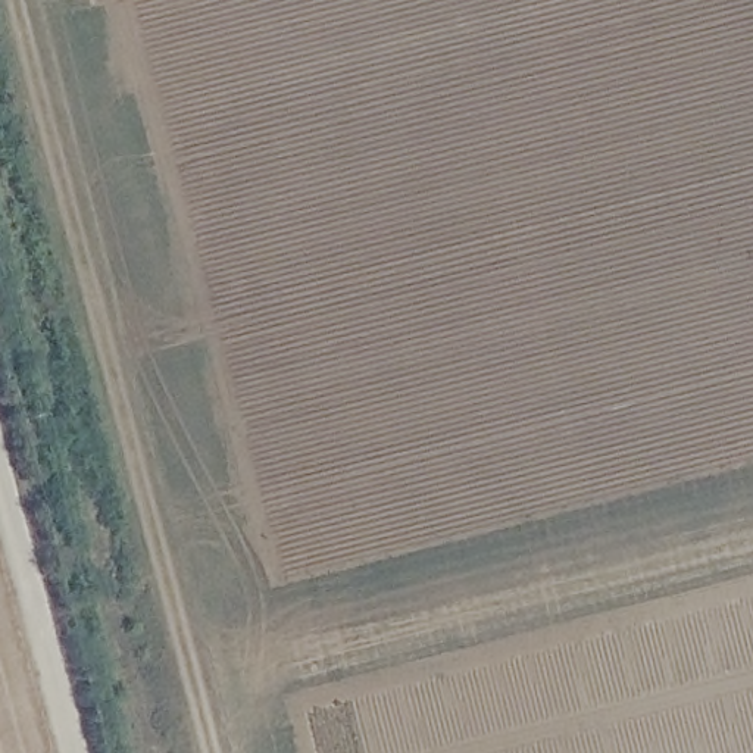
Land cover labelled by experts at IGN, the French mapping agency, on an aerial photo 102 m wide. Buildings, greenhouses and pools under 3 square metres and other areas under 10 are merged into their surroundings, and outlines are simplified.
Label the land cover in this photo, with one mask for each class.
<instances>
[{"label":"agricultural land","instance_id":"1","mask_svg":"<svg viewBox=\"0 0 753 753\"><path fill-rule=\"evenodd\" d=\"M47 18L59 47L62 76L74 106L82 159L88 168H100L103 174L91 182V188L100 209L109 262L121 297L118 303L106 306V315L124 365L141 447L147 456L162 527L176 565L224 753H753V0H59L47 6ZM0 753H59L56 735L50 729L47 703L41 694V674L32 659V647L24 627L18 585L6 562V547L0 535Z\"/></svg>","mask_w":753,"mask_h":753},{"label":"brushwood","instance_id":"2","mask_svg":"<svg viewBox=\"0 0 753 753\"><path fill-rule=\"evenodd\" d=\"M18 62L3 0H0V424L9 465L18 477L21 506L26 512V524L32 532L35 565L50 597L53 624L62 644L88 753H129L121 729L124 685L109 671V653L103 635L97 632V597L124 600L135 582L132 562L147 553L138 512L124 515V491L118 488V474L109 456V438L100 427L97 400L91 394L88 362L76 338V326L88 321L68 238L59 221L47 224L38 206V179L29 168V150L24 141L26 118L15 115L9 94V71Z\"/></svg>","mask_w":753,"mask_h":753},{"label":"pervious surface","instance_id":"3","mask_svg":"<svg viewBox=\"0 0 753 753\"><path fill-rule=\"evenodd\" d=\"M59 0H3L18 62L26 88V118L35 124L41 141V159L56 194L59 221L68 238L88 321L106 382L112 424L118 432V447L124 453L129 494L138 512L147 553L168 627V641L185 691L197 753H224L176 565L162 527L147 456L141 447L124 365L106 315V306L118 303L121 297L109 262L100 209L91 188V182L103 174L100 168H88L82 159L74 106L62 76L59 47L47 18V6ZM0 535L6 547V562L18 585L24 627L32 647V659L41 674V694L47 703L50 729L56 735L59 753H88L62 644L53 624L50 597L35 565L32 532L26 524V512L21 506L18 477L9 465L0 424Z\"/></svg>","mask_w":753,"mask_h":753},{"label":"herbaceous vegetation","instance_id":"4","mask_svg":"<svg viewBox=\"0 0 753 753\"><path fill-rule=\"evenodd\" d=\"M9 94L15 115L26 118V88L18 62L9 71ZM24 141L29 150V168L38 179V206L47 224L59 221L56 194L41 159V141L35 124L26 118ZM76 338L88 362L91 394L97 400L100 427L109 438V456L118 474V488L124 491V515L138 512L129 494L124 453L118 447V432L112 424L106 382L88 321L76 326ZM135 582L124 600L97 597V632L103 635L109 653V671L124 685L121 729L129 753H197L185 691L168 641V627L147 553L132 562Z\"/></svg>","mask_w":753,"mask_h":753}]
</instances>
